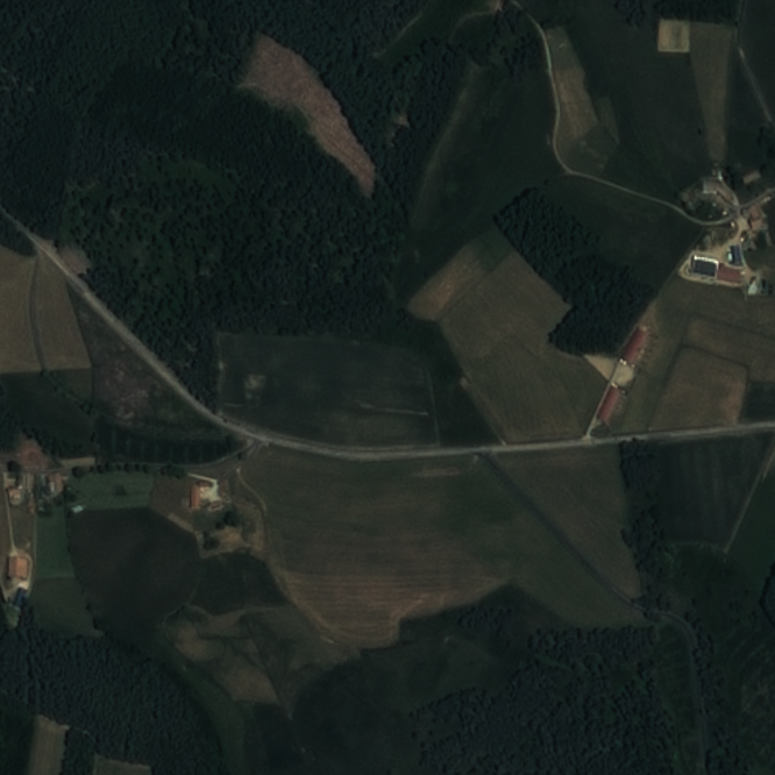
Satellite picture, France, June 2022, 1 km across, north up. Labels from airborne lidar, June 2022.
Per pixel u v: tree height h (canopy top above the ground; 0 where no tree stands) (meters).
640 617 0
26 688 22
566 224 28
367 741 0
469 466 0
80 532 0
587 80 0
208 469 0
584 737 18
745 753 15
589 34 0
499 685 0
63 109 27
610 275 9
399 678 0
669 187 0
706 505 0
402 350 0
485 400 0
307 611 0
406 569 0
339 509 0
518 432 0
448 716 16
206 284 17
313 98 0
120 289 12
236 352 0
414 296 0
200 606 0
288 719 0
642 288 18
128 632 0
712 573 0
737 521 0
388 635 0
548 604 0
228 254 14
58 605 0
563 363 0
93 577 0
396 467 0
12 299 0
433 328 0
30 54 15
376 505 0
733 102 0
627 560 0
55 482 0
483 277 0
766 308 0
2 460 0
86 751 14
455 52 27
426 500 0
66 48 26
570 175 0
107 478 0
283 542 0
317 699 0
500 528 0
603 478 0
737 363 0
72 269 0
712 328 0
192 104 15
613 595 0
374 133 31
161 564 0
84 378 0
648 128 0
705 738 0
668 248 0
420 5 21
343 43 29
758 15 0
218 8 25
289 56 0
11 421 25
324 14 31
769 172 14
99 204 7
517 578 0
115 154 22
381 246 10
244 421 0
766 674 0
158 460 0
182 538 0
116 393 0
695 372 0
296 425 0
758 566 0
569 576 0
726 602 0
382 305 18
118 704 29
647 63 0
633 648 17
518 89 0
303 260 23
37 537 0
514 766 17
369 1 28
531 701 13
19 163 23
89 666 22
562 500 0
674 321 0
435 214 0
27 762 6
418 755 0
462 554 0
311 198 24
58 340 0
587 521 0
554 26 9
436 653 0
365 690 0
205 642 0
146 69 16
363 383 0
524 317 0
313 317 10
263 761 0
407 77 30
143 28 25
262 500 0
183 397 0
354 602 0
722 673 17
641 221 0
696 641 0
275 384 0
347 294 23
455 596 0
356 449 0
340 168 11
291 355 0
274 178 23
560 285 13
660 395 0
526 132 0
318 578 0
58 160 24
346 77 31
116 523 0
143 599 0
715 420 0
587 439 0
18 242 21
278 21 24
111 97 15
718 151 0
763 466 0
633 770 22
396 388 0
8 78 23
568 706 16
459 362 0
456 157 0
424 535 0
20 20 30
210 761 22
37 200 19
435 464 0
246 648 0
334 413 0
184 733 24
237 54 22
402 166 23
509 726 18
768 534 0
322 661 0
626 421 0
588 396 0
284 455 0
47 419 0
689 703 0
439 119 24
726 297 0
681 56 0
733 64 0
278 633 0
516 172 0
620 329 17
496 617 14
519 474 0
